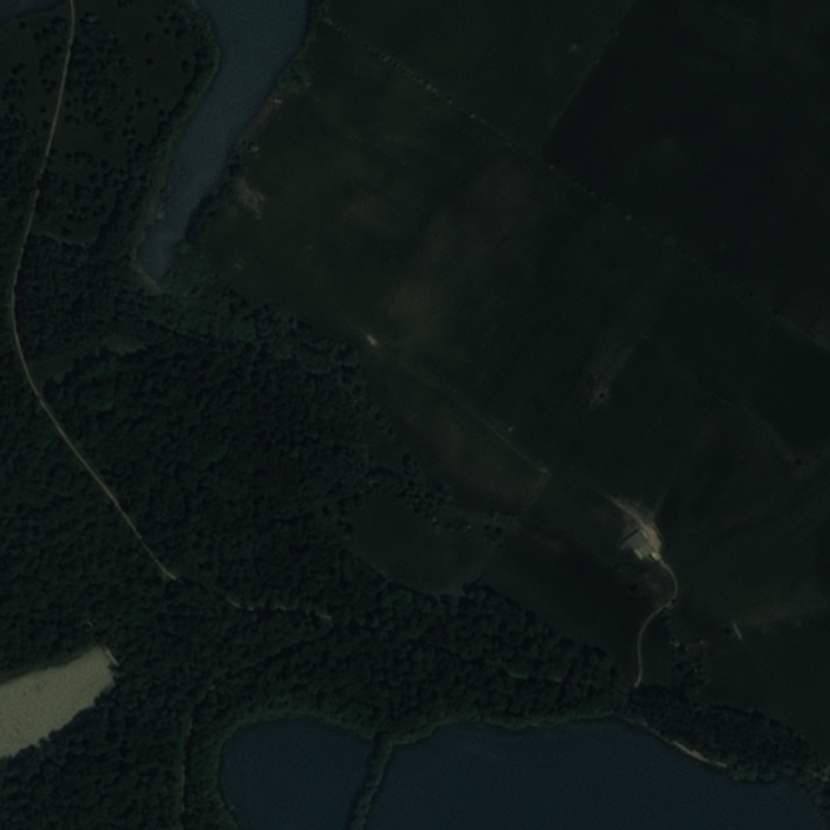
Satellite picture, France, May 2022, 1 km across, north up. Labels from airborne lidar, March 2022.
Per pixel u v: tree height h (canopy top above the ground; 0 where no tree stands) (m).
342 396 21
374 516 0
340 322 0
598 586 0
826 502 0
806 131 0
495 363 0
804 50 0
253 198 0
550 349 0
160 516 18
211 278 9
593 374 0
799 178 0
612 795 0
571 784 0
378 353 0
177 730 20
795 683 0
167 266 0
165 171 0
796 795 0
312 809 0
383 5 0
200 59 14
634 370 0
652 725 20
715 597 0
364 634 21
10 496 18
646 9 0
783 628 0
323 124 0
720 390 0
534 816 0
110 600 26
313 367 23
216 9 0
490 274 0
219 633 25
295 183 0
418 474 14
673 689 0
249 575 21
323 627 24
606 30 0
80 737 22
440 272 0
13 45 0
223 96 0
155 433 25
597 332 0
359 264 0
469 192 0
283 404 20
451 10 0
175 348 18
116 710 23
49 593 24
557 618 0
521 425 0
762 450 0
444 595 0
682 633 0
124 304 15
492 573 0
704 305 0
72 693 0
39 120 0
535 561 0
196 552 27
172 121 11
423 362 0
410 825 0
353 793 0
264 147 0
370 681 25
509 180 0
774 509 0
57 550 20
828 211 0
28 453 23
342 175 0
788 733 13
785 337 0
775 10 0
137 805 24
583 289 0
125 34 0
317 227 0
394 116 0
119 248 18
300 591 22
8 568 24
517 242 0
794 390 0
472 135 0
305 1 0
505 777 0
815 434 0
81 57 19
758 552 0
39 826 21
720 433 0
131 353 0
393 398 0
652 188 0
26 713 0
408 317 0
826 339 0
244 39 0
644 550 0
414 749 0
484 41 0
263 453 22
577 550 0
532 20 0
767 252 0
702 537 0
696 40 0
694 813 0
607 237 0
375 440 0
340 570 23
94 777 24
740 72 0
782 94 0
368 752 0
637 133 0
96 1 0
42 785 21
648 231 0
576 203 0
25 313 18
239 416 26
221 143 0
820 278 0
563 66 0
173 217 0
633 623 0
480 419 0
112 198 0
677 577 0
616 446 0
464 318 0
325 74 0
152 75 0
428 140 0
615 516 0
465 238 0
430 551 0
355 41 0
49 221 13
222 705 19
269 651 21
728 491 0
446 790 0
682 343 0
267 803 0
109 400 20
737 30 0
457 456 0
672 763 0
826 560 0
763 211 0
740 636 0
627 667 0
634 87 0
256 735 0
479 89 0
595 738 0
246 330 6
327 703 21
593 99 0
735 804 0
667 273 0
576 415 0
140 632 24
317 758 0
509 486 0
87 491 20
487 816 0
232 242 0
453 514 0
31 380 0
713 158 0
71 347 20
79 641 21
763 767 14
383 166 0
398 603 24
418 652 26
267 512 13
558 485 0
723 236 0
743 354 0
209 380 14
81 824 22
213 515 23
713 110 0
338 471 23
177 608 18
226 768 0
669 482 0
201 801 18
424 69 0
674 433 0
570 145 0
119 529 21
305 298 0
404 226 0
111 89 18
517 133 0
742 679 0
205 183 0
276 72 0
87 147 0
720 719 18
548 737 0
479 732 0
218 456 14
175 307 8
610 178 0
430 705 24
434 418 0
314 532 19
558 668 29
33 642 24
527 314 0
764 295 0
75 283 23
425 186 0
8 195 20
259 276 0
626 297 0
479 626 27
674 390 0
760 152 0
